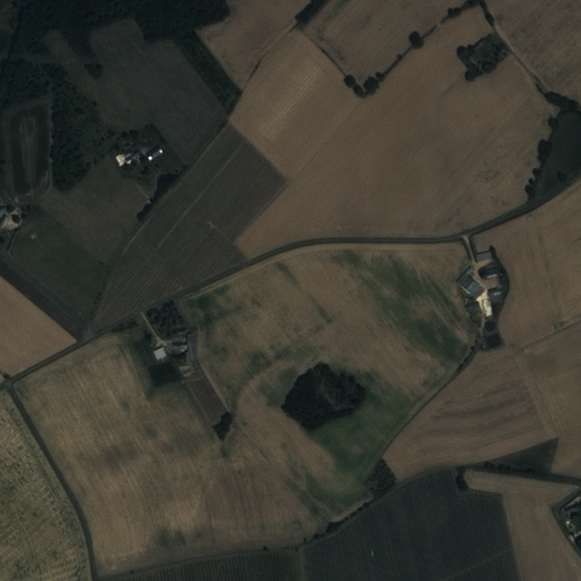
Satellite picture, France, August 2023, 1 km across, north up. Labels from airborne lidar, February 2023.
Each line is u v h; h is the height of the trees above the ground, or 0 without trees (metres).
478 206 0
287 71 0
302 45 0
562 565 0
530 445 0
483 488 0
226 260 0
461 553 0
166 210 0
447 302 0
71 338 0
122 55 0
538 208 0
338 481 0
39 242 0
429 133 0
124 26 0
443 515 0
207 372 0
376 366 0
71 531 0
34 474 0
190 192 0
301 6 0
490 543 0
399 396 0
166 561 0
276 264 0
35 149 0
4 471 0
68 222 0
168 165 0
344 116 0
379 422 0
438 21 0
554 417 0
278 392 0
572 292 0
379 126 0
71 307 0
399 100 0
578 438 0
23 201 0
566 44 0
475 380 0
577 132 0
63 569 0
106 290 0
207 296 0
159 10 17
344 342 0
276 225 0
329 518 0
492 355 0
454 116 0
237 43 0
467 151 0
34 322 0
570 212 0
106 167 0
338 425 0
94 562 0
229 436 0
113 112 0
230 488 0
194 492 0
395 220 0
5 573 0
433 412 0
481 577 0
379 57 0
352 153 0
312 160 0
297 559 0
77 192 0
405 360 0
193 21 17
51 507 0
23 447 0
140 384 0
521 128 0
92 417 0
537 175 15
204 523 0
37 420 0
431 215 0
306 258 0
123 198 0
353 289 0
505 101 0
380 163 0
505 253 0
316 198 0
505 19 0
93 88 0
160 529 0
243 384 0
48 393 0
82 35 11
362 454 0
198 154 0
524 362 0
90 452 0
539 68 0
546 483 0
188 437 0
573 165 0
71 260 0
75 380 0
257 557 0
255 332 0
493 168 0
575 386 0
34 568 0
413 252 0
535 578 0
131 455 0
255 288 0
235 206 0
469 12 0
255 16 0
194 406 0
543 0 0
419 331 0
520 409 0
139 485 0
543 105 0
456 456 0
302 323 0
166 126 0
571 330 0
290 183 0
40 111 0
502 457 0
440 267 0
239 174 0
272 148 0
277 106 0
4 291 0
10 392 0
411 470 0
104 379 0
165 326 14
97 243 0
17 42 19
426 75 0
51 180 0
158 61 0
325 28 0
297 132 0
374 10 0
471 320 0
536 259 0
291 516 0
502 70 0
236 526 0
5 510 0
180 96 0
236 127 0
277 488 0
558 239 0
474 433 0
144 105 0
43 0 11
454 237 0
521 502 0
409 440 0
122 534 0
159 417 0
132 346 0
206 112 0
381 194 0
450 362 0
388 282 0
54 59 0
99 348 0
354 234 0
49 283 0
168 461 0
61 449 0
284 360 0
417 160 0
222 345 0
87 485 0
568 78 0
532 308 0
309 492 0
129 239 0
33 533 0
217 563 0
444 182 0
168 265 0
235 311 0
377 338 0
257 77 0
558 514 0
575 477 0
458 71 0
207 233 0
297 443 0
